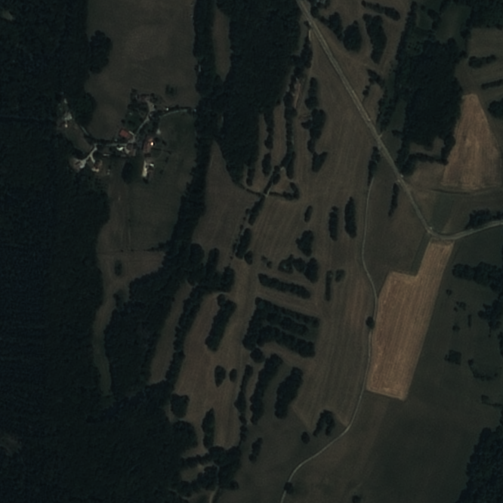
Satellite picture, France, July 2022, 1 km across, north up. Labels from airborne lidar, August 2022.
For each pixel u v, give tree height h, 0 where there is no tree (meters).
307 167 0
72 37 20
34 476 9
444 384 0
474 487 21
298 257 0
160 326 18
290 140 8
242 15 21
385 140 0
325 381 0
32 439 15
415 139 17
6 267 12
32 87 22
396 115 0
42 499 15
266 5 18
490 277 12
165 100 0
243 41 22
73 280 20
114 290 0
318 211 0
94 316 17
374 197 0
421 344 0
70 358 24
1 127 20
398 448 0
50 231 14
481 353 0
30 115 22
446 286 0
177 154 0
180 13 0
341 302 0
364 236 0
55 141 16
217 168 0
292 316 11
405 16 0
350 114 0
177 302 0
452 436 0
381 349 0
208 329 0
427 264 0
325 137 0
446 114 21
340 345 0
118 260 0
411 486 0
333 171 0
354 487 0
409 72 13
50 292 18
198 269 17
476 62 10
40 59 29
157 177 0
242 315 0
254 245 0
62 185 18
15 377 19
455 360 6
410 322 0
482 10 16
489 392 0
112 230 0
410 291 0
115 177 0
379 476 0
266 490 0
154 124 8
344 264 0
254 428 0
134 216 0
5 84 15
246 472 0
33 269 18
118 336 18
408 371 0
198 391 0
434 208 0
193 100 0
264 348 0
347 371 0
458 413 0
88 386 11
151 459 18
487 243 0
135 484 20
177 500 18
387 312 0
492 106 9
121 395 20
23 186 18
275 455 0
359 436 0
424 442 0
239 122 23
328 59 0
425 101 27
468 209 0
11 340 16
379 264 0
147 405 22
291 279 0
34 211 20
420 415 0
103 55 17
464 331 0
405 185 0
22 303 20
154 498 19
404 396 0
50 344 19
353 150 0
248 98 21
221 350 0
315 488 0
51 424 21
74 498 21
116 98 0
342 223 0
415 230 0
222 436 0
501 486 12
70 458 25
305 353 18
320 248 0
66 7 22
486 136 0
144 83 0
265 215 0
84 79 21
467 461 0
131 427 18
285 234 0
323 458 0
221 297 11
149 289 22
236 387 0
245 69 23
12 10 9
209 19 21
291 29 20
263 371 12
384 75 0
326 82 0
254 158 14
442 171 0
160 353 0
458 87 13
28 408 19
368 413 0
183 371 0
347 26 0
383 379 0
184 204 19
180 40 0
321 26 0
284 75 18
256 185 0
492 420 0
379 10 8
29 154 21
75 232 20
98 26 0
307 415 0
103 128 0
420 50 8
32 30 17
